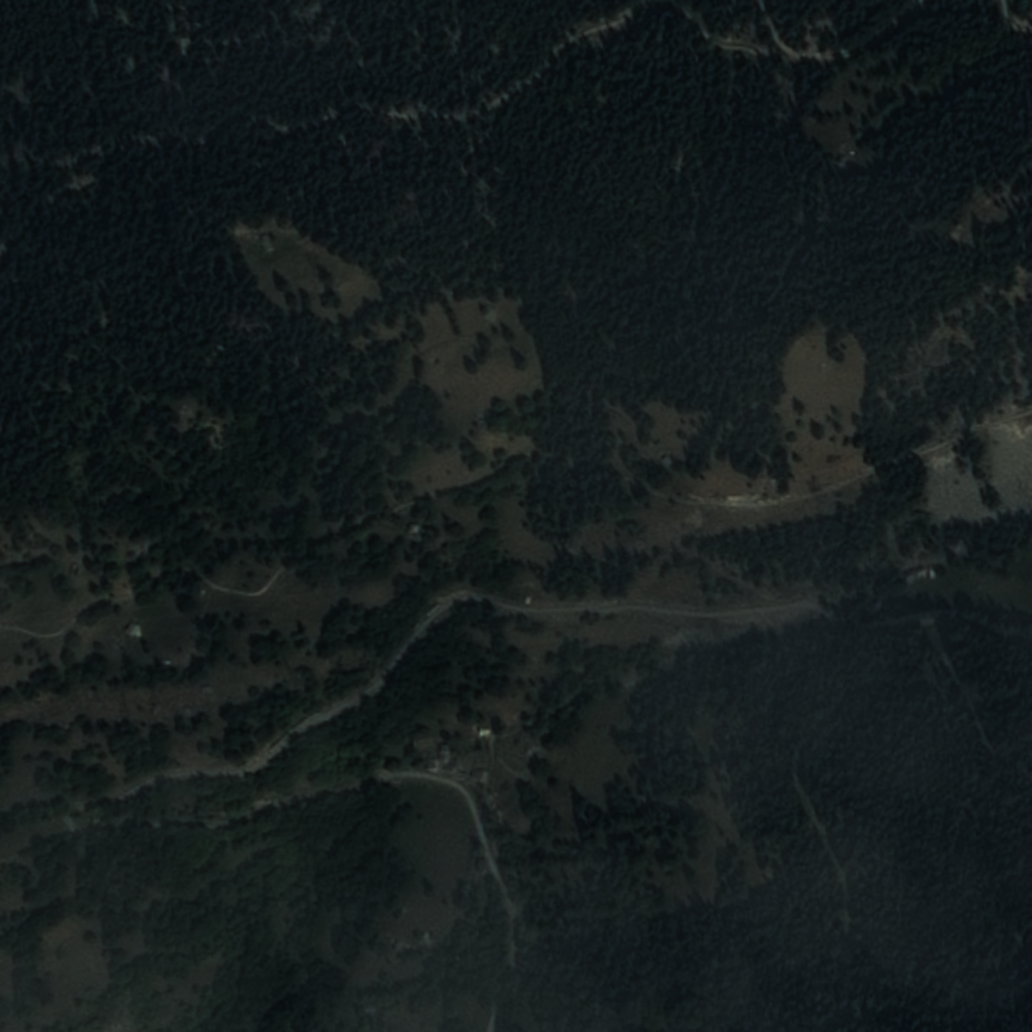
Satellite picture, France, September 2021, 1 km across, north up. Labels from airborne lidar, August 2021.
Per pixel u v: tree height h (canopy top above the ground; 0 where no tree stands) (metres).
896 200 25
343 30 15
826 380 0
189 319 25
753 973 13
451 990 19
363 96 16
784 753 19
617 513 10
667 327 17
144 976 14
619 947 16
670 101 21
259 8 9
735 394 22
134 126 11
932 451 0
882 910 23
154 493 18
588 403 24
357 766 13
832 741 14
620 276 24
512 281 17
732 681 18
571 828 0
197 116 14
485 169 10
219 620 7
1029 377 17
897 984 15
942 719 17
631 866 10
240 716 13
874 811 20
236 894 11
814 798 21
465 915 7
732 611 0
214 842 10
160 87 21
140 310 28
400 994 12
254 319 26
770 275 24
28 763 10
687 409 12
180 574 13
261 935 17
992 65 22
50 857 15
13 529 15
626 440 12
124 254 22
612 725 0
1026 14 16
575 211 12
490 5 19
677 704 20
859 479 0
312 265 0
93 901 17
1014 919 15
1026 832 11
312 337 27
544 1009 16
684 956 11
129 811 10
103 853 17
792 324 17
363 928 21
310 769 15
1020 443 0
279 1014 16
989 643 20
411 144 24
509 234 19
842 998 10
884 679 14
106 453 20
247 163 17
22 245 17
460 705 8
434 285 23
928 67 17
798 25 15
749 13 20
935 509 0
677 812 10
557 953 14
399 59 21
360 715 9
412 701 21
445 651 17
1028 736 15
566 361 23
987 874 15
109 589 19
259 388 19
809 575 20
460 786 0
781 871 15
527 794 13
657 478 20
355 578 8
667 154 15
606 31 0
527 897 12
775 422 15
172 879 21
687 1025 16
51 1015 0
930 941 14
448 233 18
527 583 0
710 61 22
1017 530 20
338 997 16
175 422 12
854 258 11
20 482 26
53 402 16
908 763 22
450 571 14
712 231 27
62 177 16
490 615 20
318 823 18
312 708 15
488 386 0
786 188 14
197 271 33
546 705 15
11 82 14
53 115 18
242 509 12
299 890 12
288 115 18
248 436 19
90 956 0
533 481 13
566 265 23
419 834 0
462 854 0
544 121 20
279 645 12
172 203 24
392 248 24
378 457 14
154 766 14
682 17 17
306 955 10
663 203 26
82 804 0
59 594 12
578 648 12
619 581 12
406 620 14
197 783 14
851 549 17
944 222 11
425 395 16
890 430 18
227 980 13
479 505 12
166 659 0
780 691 19
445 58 24
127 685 11
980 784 15
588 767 0
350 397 11
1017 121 20
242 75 21
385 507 15
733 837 0
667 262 8
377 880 18
